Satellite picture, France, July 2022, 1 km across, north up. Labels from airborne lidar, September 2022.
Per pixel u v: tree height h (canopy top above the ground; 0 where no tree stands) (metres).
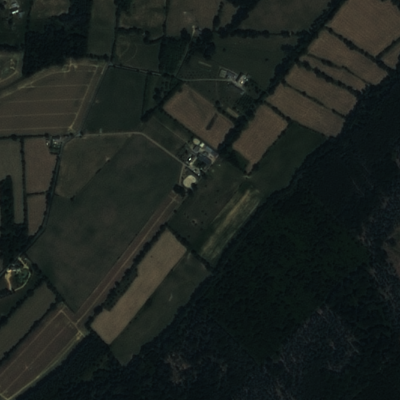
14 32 0
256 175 0
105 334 0
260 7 0
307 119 0
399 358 10
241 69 0
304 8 0
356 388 21
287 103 0
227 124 0
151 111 11
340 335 20
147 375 10
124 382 18
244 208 0
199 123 0
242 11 19
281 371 22
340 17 0
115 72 0
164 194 0
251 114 26
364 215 18
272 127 0
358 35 0
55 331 0
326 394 18
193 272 0
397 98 16
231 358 22
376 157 12
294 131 0
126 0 7
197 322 24
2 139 7
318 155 15
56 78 0
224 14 0
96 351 21
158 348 19
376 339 23
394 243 20
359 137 15
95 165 0
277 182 0
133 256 0
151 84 0
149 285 0
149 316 0
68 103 0
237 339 8
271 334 6
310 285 9
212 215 0
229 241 0
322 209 8
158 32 0
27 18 7
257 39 0
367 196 19
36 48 12
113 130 0
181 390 18
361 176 12
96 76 0
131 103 0
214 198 0
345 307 19
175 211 8
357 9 0
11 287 0
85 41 12
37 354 0
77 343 0
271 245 8
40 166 0
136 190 0
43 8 0
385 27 0
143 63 0
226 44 0
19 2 0
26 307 0
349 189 11
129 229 0
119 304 0
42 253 0
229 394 17
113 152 0
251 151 0
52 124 0
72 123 0
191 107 0
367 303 14
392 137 13
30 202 0
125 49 0
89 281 0
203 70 0
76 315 0
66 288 0
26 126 0
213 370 21
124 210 0
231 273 10
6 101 0
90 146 0
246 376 19
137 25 0
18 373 0
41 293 0
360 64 0
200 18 0
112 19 0
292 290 10
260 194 0
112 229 0
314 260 7
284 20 0
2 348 0
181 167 0
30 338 0
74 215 0
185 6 0
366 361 21
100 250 0
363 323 24
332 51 0
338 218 17
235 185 0
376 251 21
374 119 17
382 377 10
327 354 11
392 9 0
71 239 0
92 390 25
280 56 0
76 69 0
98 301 0
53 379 20
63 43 21
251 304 10
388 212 21
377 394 9
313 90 0
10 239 11
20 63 0
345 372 19
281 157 0
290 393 22
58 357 0
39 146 0
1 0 0
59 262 0
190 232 0
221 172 0
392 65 0
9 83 0
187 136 0
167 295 0
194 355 21
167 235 0
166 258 0
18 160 0
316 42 0
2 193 8
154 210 0
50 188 12
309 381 17
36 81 0
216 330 18
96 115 0
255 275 7
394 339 15
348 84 0
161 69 15
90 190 0
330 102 0
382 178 15
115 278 0
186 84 0
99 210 0
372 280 18
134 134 0
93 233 0
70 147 0
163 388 17
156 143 0
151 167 0
